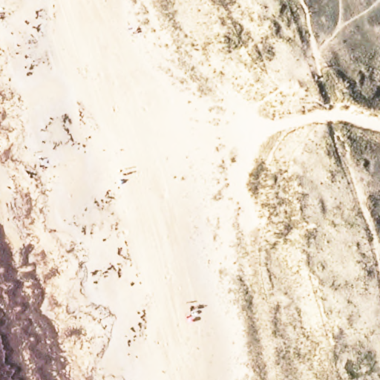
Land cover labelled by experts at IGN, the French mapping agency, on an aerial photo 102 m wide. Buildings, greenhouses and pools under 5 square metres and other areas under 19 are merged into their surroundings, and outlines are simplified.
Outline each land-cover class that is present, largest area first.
<instances>
[{"label":"bare soil","instance_id":"1","mask_svg":"<svg viewBox=\"0 0 380 380\"><path fill-rule=\"evenodd\" d=\"M281 6L279 10L272 16H263L260 15L261 7L252 0H0V380H301L303 374L297 368L301 364H306L307 370H313V358L319 346L315 335L307 332L319 327L327 319L322 309V301H315L313 295V289L319 282L307 270L306 255L301 254L303 243L306 242L307 246H310V239H316L318 230L315 229V224L310 223L298 224L292 230L291 224L282 227L269 226L266 223L269 212L266 208L255 206L254 199L260 190V175L266 169V162L257 159L258 151L243 141L242 137L235 135L232 138L236 128L233 122L236 119V111L243 98L246 101H261L263 107L258 108V114L270 120L297 116L301 107H312L321 99L306 61L303 59L301 62H295L292 56L289 46L294 40L282 34L281 24L291 16L286 12L284 0H275ZM309 6L310 15L325 16L335 25L338 22V0H304ZM343 40L330 47L331 59L328 67L335 73L340 70L346 71L347 76L355 80L356 91L362 92L365 96L374 94L380 99V7L370 15L362 16L355 24L343 27ZM350 142V154L355 160V165L364 166L371 177L367 187H364V193L370 200L368 209L376 223L377 232L380 233V131L353 125L350 122L341 123ZM334 346L330 367L313 374L316 380H380V368L377 367L376 353L373 350L368 349L359 340L347 344L344 331L338 328L337 334L332 335Z\"/></svg>","mask_w":380,"mask_h":380},{"label":"pervious surface","instance_id":"2","mask_svg":"<svg viewBox=\"0 0 380 380\"><path fill-rule=\"evenodd\" d=\"M261 7L260 15L263 16H272L279 10L281 6L275 0H252ZM286 12L291 16L281 24L282 34L294 40L289 46L292 56L295 62H301L303 59L306 61L321 99L312 107H301L297 116L270 120L258 114V108L263 107L261 101H246L243 98L236 111V119L233 122L236 128L232 138L235 135L242 137L243 141L258 151L257 159L266 162V169L260 175V190L254 199L255 206L266 208L269 212L266 223L269 226L282 227L291 224L292 230L298 224L310 223L315 224V229L318 230L316 239H310V246H307L306 242L303 243L301 254L306 255L307 270L319 282L313 289V295L315 301H322V309L327 319L319 327L307 332L315 335L319 346L313 358V370H307L306 364H301L297 368L303 374L301 380H316L313 374L330 367L334 346L332 335L337 334L338 328L344 331L347 344L359 340L368 349L373 350L376 353L377 367L380 368V233L377 232L376 223L368 209L370 200L364 193V187H367L371 177L364 166L355 165V160L350 154V142L341 123L350 122L353 125L380 131V111L355 104L350 98L347 83L338 79L335 73L328 67L331 59L330 47L343 40V27L355 24L362 16L370 15L380 7V0H338V22L335 25L325 16L310 15L309 6L304 0H284Z\"/></svg>","mask_w":380,"mask_h":380},{"label":"brushwood","instance_id":"3","mask_svg":"<svg viewBox=\"0 0 380 380\"><path fill-rule=\"evenodd\" d=\"M338 79L347 83L350 98L355 104L380 111V99L374 94L365 96L362 92L356 91L355 80L347 76L346 71L340 70L335 73Z\"/></svg>","mask_w":380,"mask_h":380}]
</instances>
